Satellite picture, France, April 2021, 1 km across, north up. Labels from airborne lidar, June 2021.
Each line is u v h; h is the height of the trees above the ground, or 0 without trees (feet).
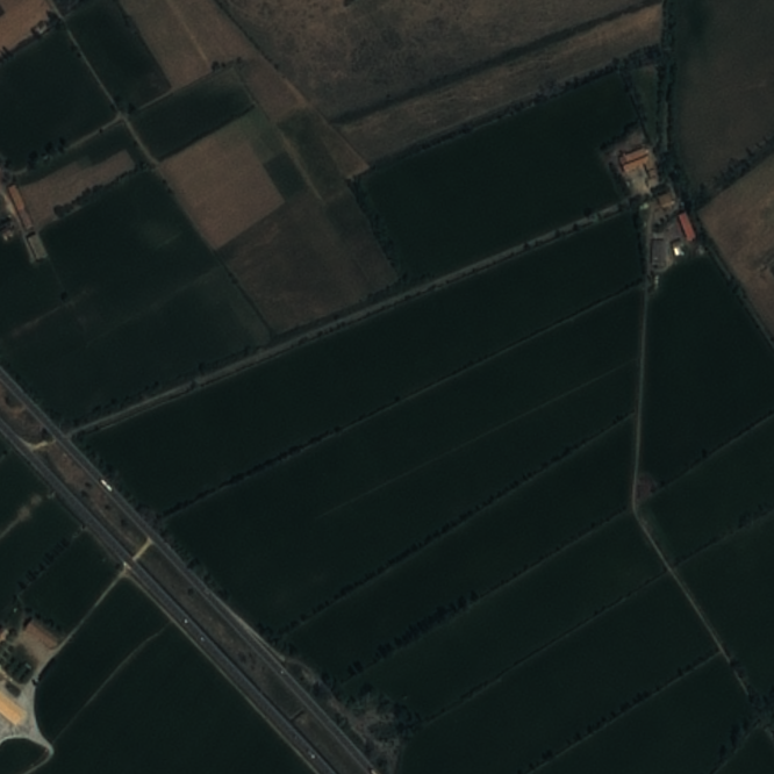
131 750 0
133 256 0
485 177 0
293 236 0
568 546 26
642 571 0
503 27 0
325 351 0
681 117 0
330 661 0
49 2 0
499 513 0
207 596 0
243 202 0
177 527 0
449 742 0
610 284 0
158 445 0
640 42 0
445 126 0
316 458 0
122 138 0
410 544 0
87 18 0
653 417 0
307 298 0
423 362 0
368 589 0
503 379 0
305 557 0
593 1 0
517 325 0
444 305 0
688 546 0
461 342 0
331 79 0
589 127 0
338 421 0
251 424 0
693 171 0
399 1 0
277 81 0
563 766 0
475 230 0
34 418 0
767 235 0
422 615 0
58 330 0
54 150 46
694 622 0
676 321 0
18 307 0
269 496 0
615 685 0
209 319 0
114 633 0
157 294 0
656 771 0
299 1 0
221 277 0
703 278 0
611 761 0
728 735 0
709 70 0
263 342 0
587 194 0
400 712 58
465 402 0
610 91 0
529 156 0
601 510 0
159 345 0
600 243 0
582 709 0
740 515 0
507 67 0
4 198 0
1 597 0
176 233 0
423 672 0
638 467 0
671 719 0
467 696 18
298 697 0
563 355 0
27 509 0
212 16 0
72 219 0
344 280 0
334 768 0
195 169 0
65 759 0
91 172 0
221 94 0
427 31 0
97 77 0
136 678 0
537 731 0
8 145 0
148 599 0
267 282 0
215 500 0
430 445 0
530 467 0
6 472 0
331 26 0
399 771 0
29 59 0
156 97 0
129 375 0
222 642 0
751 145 0
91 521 0
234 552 0
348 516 0
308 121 0
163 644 0
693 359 0
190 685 0
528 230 0
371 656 0
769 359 0
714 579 0
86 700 0
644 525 0
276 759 0
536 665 0
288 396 0
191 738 0
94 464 26
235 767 0
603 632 0
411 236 0
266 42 0
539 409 0
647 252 27
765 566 0
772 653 0
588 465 0
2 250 0
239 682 0
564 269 0
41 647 0
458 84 0
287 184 0
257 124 0
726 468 0
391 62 0
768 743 0
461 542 0
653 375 0
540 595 0
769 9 0
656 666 0
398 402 35
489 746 0
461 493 0
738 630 0
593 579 0
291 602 0
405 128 0
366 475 0
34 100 0
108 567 0
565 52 0
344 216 0
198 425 0
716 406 0
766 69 0
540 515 0
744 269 0
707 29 0
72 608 0
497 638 0
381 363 0
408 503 0
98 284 0
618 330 0
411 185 0
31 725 0
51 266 0
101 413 29
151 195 0
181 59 0
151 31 0
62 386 0
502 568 0
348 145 0
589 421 0
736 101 0
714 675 0
